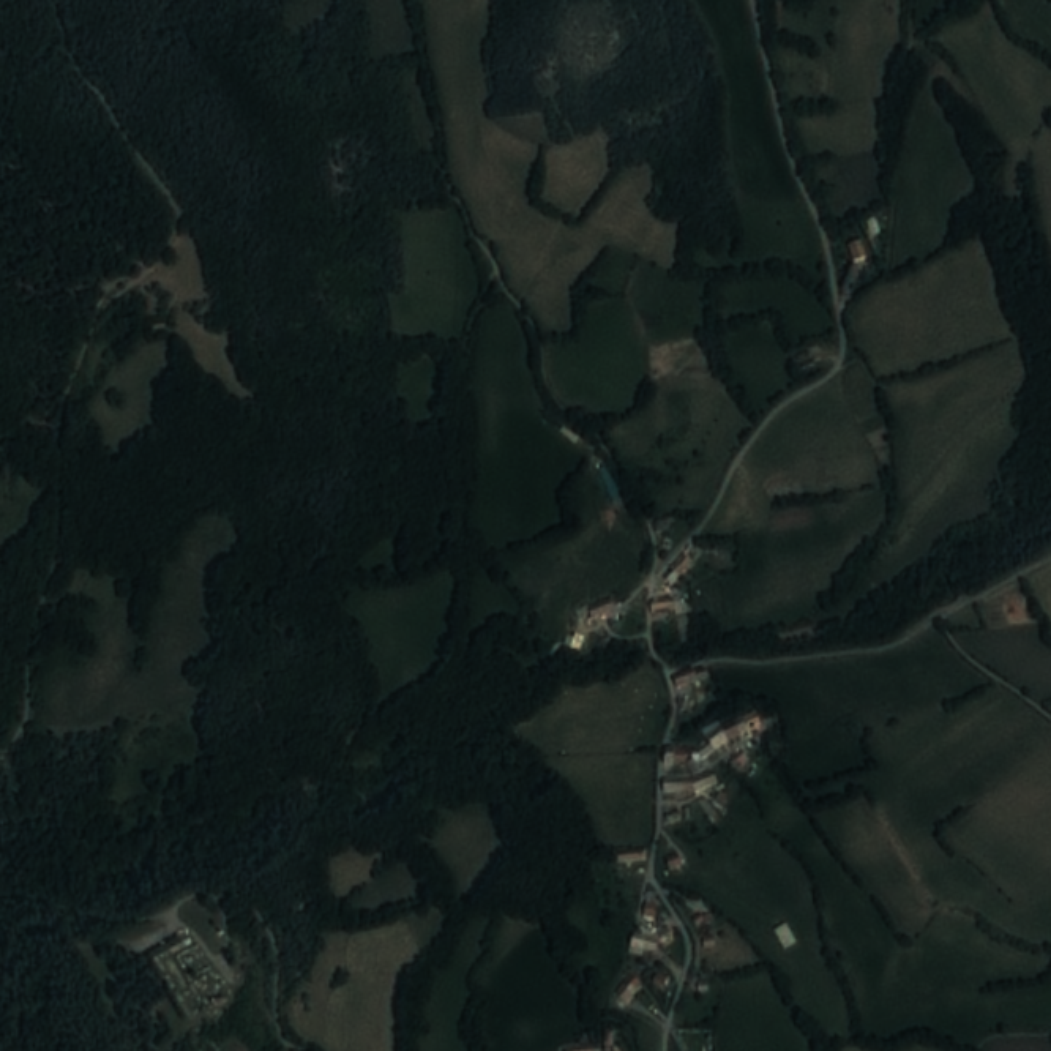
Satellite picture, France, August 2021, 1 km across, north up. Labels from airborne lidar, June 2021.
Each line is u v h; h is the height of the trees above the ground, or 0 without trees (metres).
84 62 16
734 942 0
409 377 0
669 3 12
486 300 16
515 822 29
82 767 9
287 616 24
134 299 12
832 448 0
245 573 17
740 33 0
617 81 10
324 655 23
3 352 16
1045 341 29
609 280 0
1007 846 0
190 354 19
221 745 29
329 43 17
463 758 25
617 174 8
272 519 23
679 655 13
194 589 0
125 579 10
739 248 15
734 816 0
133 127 16
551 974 0
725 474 9
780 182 0
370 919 14
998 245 25
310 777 22
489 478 0
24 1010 25
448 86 0
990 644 0
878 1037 12
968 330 0
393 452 24
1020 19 0
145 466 24
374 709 15
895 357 0
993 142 29
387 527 23
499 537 0
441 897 23
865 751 8
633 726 0
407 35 0
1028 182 15
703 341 13
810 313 0
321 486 12
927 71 11
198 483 19
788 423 0
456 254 0
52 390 18
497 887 20
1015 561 9
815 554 0
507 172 0
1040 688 0
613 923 16
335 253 18
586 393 0
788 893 0
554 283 0
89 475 26
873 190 0
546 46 9
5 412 17
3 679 26
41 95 18
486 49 9
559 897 24
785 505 16
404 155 20
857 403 0
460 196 10
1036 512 17
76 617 7
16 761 23
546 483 0
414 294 0
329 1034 0
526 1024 0
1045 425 23
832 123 0
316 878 18
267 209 18
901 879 0
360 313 10
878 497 0
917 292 0
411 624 0
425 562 13
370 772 7
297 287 14
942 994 0
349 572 24
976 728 0
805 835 0
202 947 0
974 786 0
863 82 0
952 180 0
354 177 10
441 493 32
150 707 0
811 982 0
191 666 13
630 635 0
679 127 10
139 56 16
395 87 16
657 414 0
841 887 0
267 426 19
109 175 17
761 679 0
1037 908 0
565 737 0
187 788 33
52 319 20
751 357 0
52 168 14
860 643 19
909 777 0
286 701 16
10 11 13
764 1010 0
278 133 18
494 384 0
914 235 0
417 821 26
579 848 30
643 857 0
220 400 23
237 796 34
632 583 0
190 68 19
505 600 0
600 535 0
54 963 28
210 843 14
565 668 21
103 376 10
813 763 0
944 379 0
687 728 11
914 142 0
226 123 18
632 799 0
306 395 19
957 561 15
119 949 8
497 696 24
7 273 21
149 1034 21
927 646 0
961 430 0
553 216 13
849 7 0
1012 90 0
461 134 0
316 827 24
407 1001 24
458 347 16
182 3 16
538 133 0
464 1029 10
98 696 0
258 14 18
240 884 15
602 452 13
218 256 17
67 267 17
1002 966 0
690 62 9
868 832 0
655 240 0
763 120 0
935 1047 13
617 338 0
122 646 0
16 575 20
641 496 11
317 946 8
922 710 0
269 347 19
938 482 0
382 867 10
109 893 28
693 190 17
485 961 11
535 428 0
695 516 14
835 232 9
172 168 14
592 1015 18
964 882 0
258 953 6
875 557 13
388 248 17
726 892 0
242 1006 6
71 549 19
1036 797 0
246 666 24
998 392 0
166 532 27
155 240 15
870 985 0
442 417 25
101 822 24
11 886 21
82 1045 27
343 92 19
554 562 0
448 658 23
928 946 0
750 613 0
